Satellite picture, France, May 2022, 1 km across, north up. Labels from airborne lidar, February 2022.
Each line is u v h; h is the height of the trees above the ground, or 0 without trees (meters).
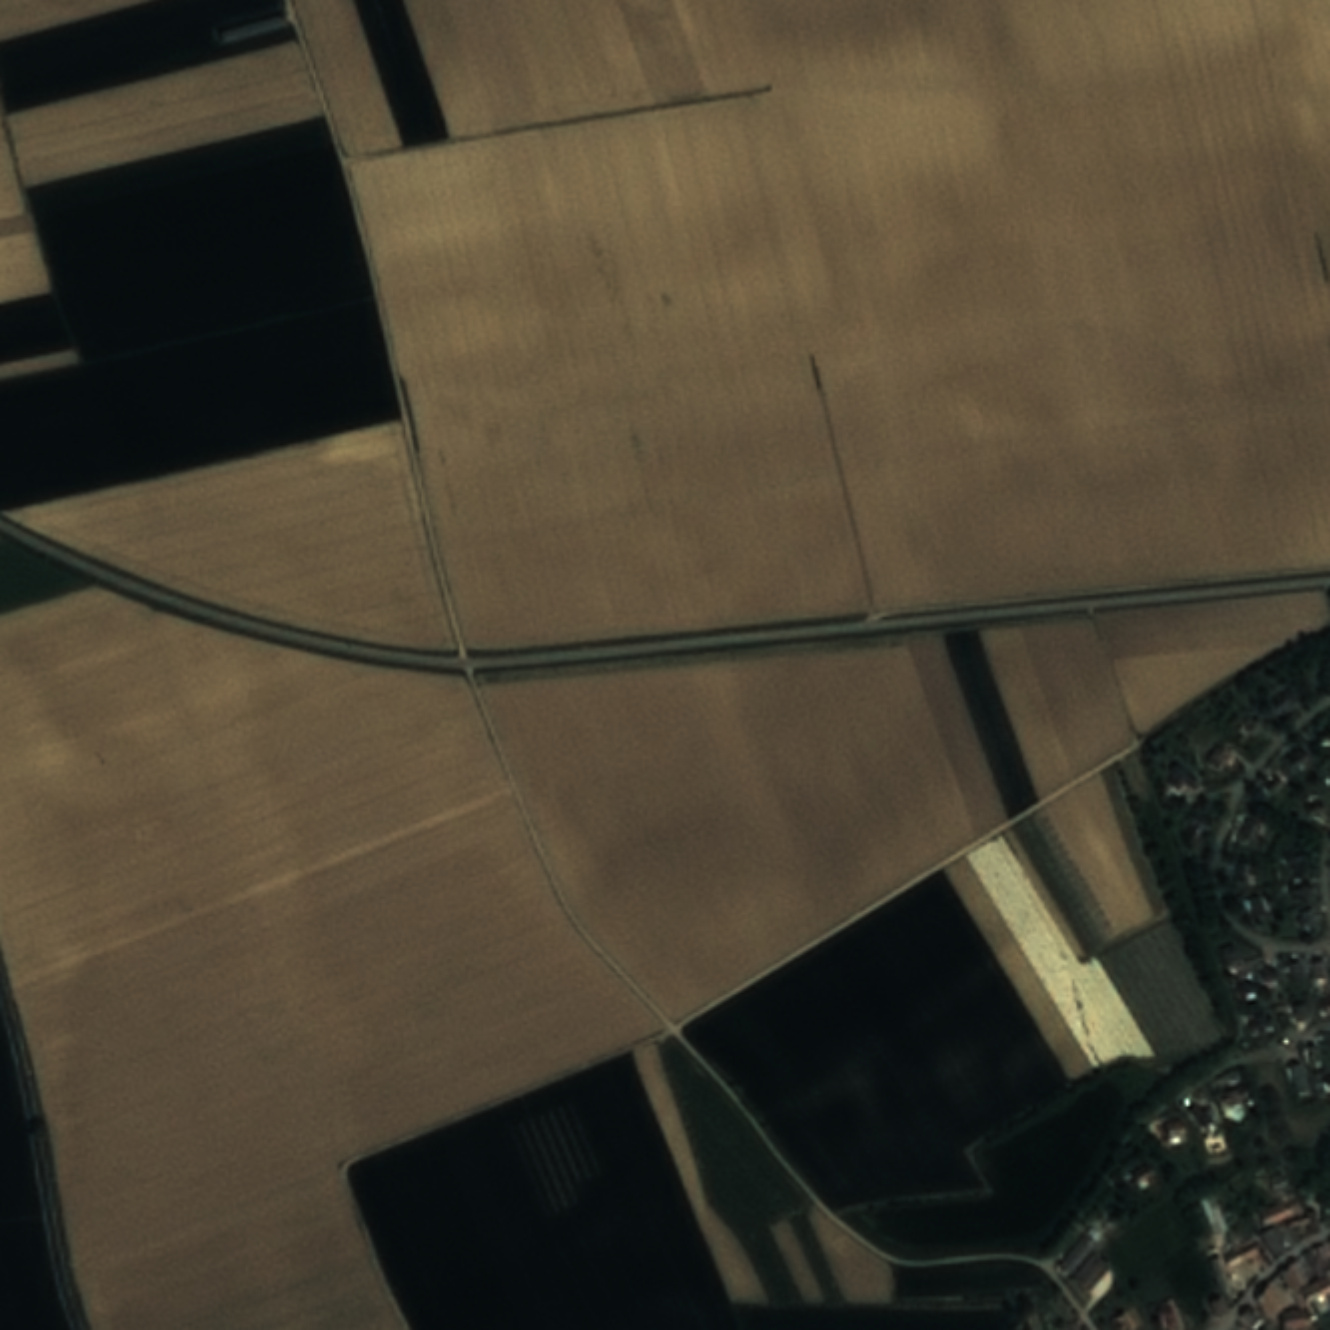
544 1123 0
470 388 0
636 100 0
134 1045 0
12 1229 0
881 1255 0
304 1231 0
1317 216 0
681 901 0
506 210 0
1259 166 0
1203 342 0
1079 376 0
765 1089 0
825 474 0
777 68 0
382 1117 0
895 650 0
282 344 0
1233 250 0
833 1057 0
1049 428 0
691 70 0
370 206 0
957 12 0
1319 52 0
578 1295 0
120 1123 0
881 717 0
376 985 0
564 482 0
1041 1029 0
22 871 0
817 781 0
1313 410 0
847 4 0
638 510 0
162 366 0
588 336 0
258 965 0
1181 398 0
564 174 0
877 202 0
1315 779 8
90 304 0
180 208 0
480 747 0
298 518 0
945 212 0
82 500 0
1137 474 0
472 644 0
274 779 0
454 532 0
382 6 0
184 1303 0
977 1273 0
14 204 0
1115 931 0
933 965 0
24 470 0
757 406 0
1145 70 0
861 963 0
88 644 0
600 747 0
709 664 0
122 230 0
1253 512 0
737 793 0
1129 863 0
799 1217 0
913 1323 0
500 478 0
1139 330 0
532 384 0
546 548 0
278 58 0
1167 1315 0
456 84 0
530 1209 0
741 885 0
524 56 0
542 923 0
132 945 0
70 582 0
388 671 0
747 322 0
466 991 0
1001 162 0
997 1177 0
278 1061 0
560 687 0
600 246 0
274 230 0
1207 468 0
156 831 0
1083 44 0
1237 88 0
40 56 0
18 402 0
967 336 0
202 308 0
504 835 0
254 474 0
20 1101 0
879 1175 0
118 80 0
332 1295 0
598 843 0
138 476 0
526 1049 0
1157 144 0
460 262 0
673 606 0
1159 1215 0
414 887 0
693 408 0
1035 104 0
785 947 0
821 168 0
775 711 0
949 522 0
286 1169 0
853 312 0
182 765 0
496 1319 0
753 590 0
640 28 0
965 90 0
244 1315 0
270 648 0
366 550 0
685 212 0
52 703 0
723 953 0
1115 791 0
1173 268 0
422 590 0
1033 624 0
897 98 0
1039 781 0
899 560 0
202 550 0
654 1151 0
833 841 0
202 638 0
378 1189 0
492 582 0
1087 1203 10
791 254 0
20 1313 0
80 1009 0
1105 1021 0
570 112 0
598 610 0
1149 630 0
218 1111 0
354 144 0
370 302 0
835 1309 0
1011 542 0
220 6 0
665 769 0
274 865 0
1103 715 0
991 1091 0
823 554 0
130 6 0
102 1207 0
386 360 0
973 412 0
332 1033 0
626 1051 0
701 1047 0
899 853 0
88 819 0
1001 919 0
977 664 0
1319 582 0
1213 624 0
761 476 0
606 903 0
